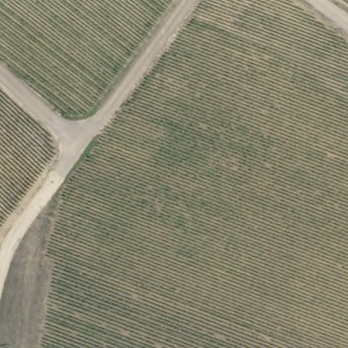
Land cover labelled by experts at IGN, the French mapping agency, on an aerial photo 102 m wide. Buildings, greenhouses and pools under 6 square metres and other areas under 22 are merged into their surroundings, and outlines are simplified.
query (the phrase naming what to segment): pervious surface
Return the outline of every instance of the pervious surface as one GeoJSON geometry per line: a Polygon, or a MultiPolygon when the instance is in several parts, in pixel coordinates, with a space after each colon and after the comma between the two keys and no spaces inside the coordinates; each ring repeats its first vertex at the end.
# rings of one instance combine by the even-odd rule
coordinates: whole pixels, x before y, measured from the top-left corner
{"type": "Polygon", "coordinates": [[[348,0],[307,0],[345,30],[343,38],[348,42],[348,0]]]}
{"type": "Polygon", "coordinates": [[[0,63],[0,88],[34,120],[41,122],[43,128],[49,130],[53,147],[58,148],[56,170],[49,174],[43,188],[33,198],[26,211],[18,217],[0,249],[0,298],[12,256],[20,239],[38,213],[48,204],[90,141],[110,124],[116,116],[116,111],[120,110],[121,103],[139,86],[145,73],[150,72],[158,63],[160,56],[170,49],[171,43],[189,22],[194,7],[200,0],[181,0],[169,16],[164,16],[162,29],[151,39],[148,48],[137,58],[135,65],[129,69],[125,79],[118,84],[105,105],[86,120],[65,120],[60,113],[46,105],[38,92],[31,90],[23,80],[18,79],[0,63]]]}

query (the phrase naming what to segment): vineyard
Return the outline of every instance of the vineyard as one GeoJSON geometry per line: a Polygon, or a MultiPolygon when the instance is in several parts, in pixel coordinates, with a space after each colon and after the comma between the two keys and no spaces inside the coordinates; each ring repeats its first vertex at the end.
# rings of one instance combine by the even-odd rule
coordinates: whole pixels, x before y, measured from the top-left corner
{"type": "Polygon", "coordinates": [[[58,148],[53,147],[49,130],[43,128],[41,122],[34,120],[0,88],[0,249],[18,217],[26,211],[33,198],[43,188],[49,174],[56,170],[58,148]]]}
{"type": "Polygon", "coordinates": [[[38,92],[46,105],[60,113],[65,120],[86,120],[105,105],[118,84],[125,79],[129,69],[135,65],[137,58],[148,48],[151,39],[162,29],[164,16],[169,16],[181,0],[0,0],[0,63],[18,79],[23,80],[31,90],[38,92]]]}
{"type": "Polygon", "coordinates": [[[90,141],[48,204],[52,209],[60,208],[60,219],[56,222],[52,239],[39,241],[41,249],[48,251],[48,257],[54,261],[52,291],[49,294],[48,319],[45,325],[48,332],[42,337],[42,348],[348,348],[348,42],[343,38],[345,30],[307,0],[200,0],[194,7],[189,22],[171,43],[170,49],[160,56],[158,63],[150,72],[145,73],[139,86],[121,103],[120,110],[116,111],[116,116],[110,124],[90,141]]]}

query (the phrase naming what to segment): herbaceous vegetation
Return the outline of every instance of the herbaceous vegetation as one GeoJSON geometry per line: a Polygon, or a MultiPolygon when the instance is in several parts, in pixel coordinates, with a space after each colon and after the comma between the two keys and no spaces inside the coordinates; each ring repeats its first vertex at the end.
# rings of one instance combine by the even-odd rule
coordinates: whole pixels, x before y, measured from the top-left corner
{"type": "Polygon", "coordinates": [[[20,239],[12,256],[0,298],[0,348],[42,348],[42,337],[48,332],[45,325],[48,319],[49,294],[52,291],[54,261],[48,257],[48,251],[41,249],[39,241],[52,239],[56,222],[60,219],[60,208],[52,209],[48,204],[38,213],[20,239]]]}

